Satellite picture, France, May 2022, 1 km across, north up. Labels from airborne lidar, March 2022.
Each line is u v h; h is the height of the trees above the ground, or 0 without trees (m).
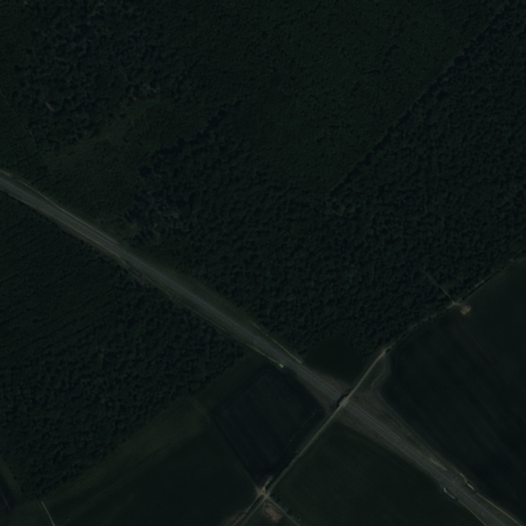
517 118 22
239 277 23
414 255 18
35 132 23
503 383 0
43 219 11
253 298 19
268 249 10
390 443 0
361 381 0
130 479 0
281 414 0
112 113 24
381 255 25
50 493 15
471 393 0
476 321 0
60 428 21
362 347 15
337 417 0
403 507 0
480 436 0
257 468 0
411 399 0
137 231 0
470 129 20
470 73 21
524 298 0
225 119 28
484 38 20
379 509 0
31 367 23
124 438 16
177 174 28
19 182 0
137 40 25
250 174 21
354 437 0
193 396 10
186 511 0
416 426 0
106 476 0
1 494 0
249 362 0
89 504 0
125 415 22
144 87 25
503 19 16
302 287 18
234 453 0
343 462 0
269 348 0
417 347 0
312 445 0
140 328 20
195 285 0
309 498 0
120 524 0
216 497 0
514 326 0
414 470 0
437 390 0
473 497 0
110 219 0
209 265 26
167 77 25
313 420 0
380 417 0
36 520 0
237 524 0
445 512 0
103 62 20
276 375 0
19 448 17
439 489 0
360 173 22
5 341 17
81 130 21
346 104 17
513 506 0
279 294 22
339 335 0
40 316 15
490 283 0
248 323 0
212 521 0
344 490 0
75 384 23
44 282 0
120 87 22
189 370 10
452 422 0
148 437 0
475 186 18
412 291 15
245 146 21
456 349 0
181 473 0
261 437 0
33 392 24
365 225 22
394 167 22
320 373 0
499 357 0
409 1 16
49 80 20
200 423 0
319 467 0
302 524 6
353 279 26
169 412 0
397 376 0
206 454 0
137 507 0
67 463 18
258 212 29
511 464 0
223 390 0
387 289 8
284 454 0
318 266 15
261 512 0
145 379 20
